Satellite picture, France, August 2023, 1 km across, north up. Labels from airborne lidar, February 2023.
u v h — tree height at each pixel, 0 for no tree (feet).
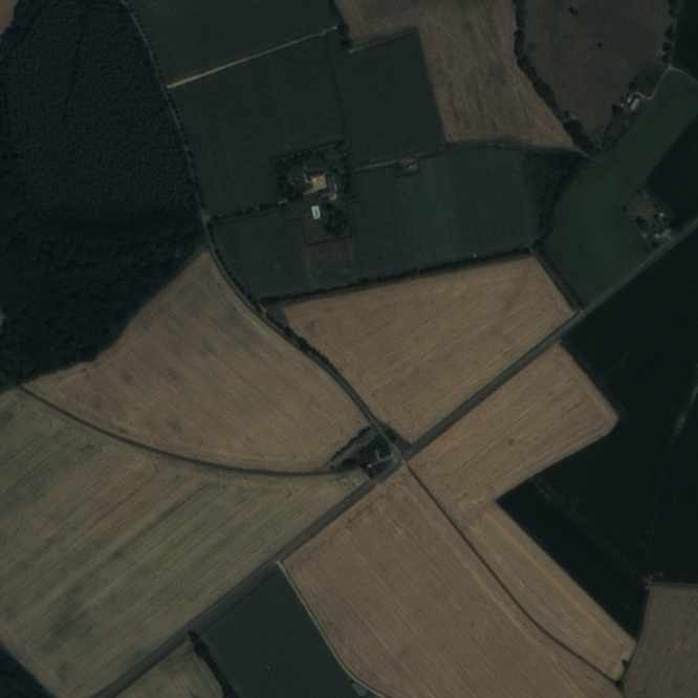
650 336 0
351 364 0
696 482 0
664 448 0
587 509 0
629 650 0
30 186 62
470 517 0
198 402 0
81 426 0
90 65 48
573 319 0
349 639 0
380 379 0
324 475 0
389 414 0
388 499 0
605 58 0
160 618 0
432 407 0
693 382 0
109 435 0
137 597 0
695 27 0
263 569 0
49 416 0
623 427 0
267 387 0
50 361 86
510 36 0
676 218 0
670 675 0
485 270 0
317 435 0
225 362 0
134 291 80
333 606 0
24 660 0
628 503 0
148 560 0
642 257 0
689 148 0
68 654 0
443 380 0
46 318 73
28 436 0
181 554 0
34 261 72
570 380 0
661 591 0
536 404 0
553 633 0
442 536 0
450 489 0
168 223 52
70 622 0
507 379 0
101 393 0
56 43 58
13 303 72
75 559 0
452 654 0
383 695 0
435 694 0
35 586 0
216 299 0
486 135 0
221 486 0
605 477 0
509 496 0
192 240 40
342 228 49
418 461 0
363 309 0
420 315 0
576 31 0
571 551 0
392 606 0
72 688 0
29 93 53
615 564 0
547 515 0
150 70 39
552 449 0
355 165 0
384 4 0
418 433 0
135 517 0
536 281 0
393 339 0
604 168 0
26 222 67
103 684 0
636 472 0
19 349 61
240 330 0
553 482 0
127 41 63
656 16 0
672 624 0
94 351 75
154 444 0
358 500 0
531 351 0
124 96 56
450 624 0
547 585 0
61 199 61
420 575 0
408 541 0
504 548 0
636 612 0
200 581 0
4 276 69
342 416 0
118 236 43
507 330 0
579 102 0
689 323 0
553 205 39
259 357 0
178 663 0
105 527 0
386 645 0
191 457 0
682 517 0
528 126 0
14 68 61
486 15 0
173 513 0
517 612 0
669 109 0
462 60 0
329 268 0
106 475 0
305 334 0
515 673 0
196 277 0
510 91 0
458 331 0
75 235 46
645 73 0
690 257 0
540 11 0
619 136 0
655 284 0
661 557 0
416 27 0
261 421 0
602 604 0
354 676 0
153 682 0
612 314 0
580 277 0
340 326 0
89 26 62
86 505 0
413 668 0
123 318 72
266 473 0
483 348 0
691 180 0
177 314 0
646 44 0
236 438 0
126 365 0
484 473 0
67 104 54
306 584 0
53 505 0
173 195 56
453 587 0
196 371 0
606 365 0
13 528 0
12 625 0
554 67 0
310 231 0
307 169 0
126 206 50
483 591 0
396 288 0
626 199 0
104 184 56
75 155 58
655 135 0
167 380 0
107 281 61
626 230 0
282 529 0
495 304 0
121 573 0
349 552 0
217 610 0
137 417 0
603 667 0
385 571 0
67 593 0
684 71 0
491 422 0
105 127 57
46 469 0
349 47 49
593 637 0
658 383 0
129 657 0
